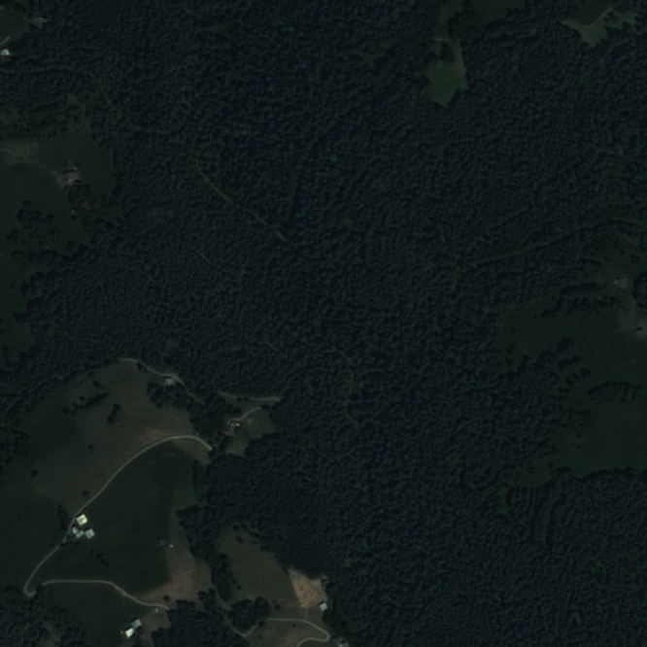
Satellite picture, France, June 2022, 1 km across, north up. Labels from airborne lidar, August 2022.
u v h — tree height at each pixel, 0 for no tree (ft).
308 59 63
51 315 86
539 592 82
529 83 78
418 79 44
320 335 47
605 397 48
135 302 72
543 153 66
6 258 0
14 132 41
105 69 74
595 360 0
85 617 0
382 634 88
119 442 0
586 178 69
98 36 57
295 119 51
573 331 0
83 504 0
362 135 104
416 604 94
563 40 89
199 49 23
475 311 36
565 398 37
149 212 76
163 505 0
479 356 71
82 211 52
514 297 65
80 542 31
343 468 91
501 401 116
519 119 65
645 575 31
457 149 81
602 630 72
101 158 0
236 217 48
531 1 49
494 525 91
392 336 108
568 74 87
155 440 0
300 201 65
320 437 88
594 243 42
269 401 0
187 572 0
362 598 103
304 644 0
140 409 0
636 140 58
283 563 57
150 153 52
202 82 43
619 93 62
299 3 72
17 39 0
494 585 104
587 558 82
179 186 83
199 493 34
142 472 0
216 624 75
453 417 74
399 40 67
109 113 66
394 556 84
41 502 0
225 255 69
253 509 79
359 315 75
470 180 84
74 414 30
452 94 0
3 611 72
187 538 0
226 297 90
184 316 89
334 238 73
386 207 73
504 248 40
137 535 0
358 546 76
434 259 58
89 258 92
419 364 61
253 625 68
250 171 95
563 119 63
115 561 0
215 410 31
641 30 80
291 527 75
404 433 72
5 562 0
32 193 0
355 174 84
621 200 31
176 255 78
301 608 0
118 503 0
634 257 43
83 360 75
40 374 77
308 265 72
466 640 64
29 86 45
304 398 80
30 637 50
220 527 88
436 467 93
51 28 54
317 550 71
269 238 95
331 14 76
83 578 0
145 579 0
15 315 0
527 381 51
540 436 78
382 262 81
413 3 81
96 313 75
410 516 48
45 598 50
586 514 82
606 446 0
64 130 39
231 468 72
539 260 42
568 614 77
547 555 98
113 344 74
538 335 0
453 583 85
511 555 88
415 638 60
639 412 0
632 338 0
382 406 33
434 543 92
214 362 68
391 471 81
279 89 52
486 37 56
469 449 82
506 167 81
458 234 87
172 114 90
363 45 98
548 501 81
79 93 77
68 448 0
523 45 89
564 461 0
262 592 0
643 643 55
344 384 80
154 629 0
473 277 59
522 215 31
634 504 94
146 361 72
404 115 93
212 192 47
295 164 59
